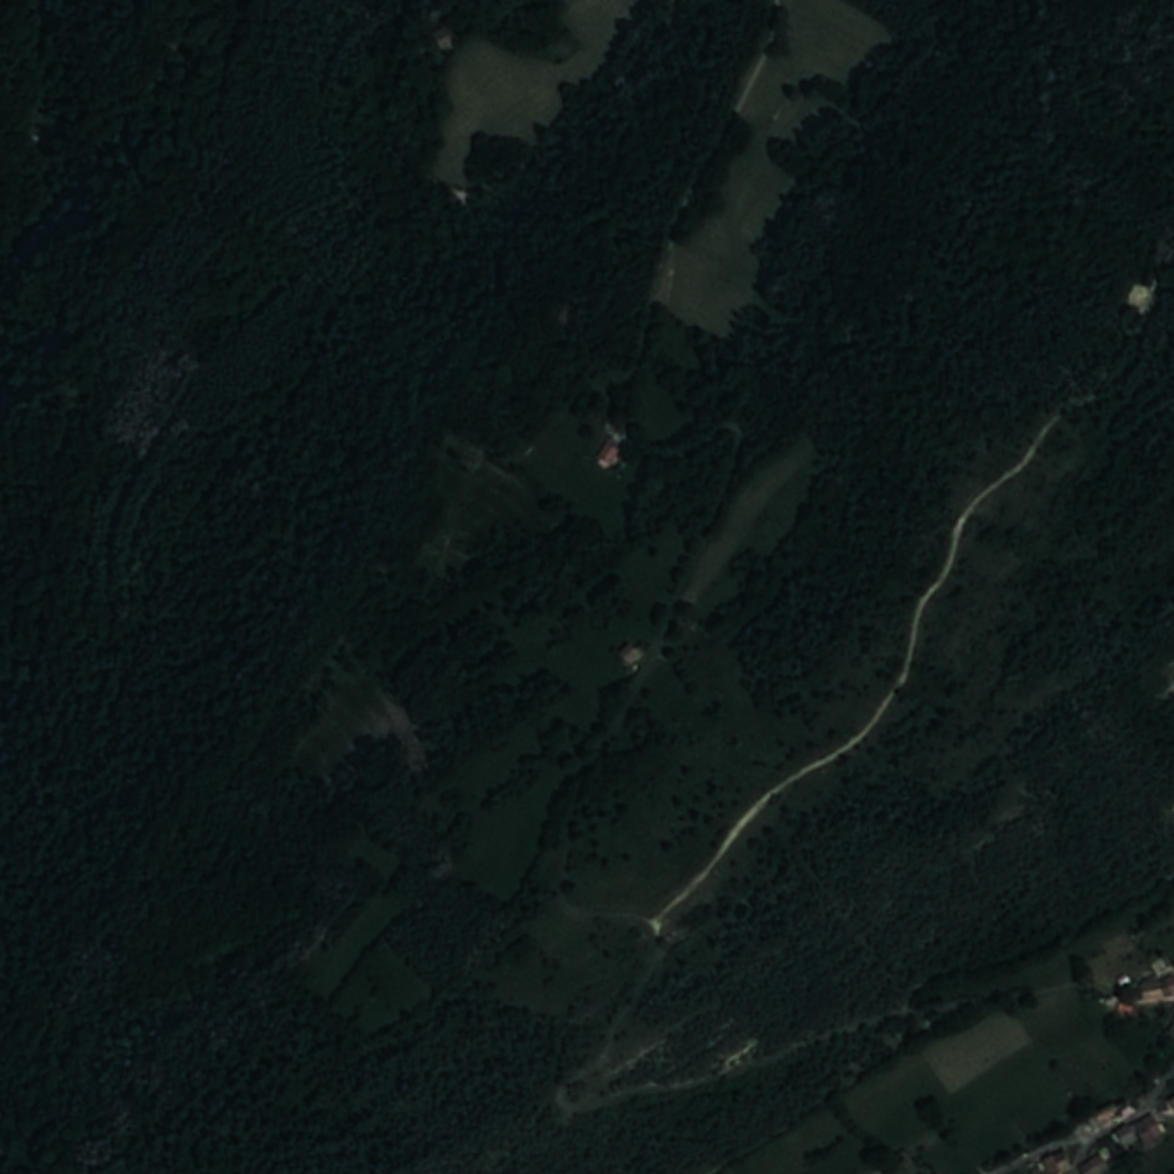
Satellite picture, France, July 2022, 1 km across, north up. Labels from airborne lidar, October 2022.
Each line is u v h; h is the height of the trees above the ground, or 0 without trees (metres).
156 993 27
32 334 27
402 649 15
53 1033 24
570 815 11
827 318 32
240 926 30
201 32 44
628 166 34
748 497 0
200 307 29
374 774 27
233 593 22
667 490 15
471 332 18
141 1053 14
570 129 15
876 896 7
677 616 18
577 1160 16
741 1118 16
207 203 27
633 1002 11
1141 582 6
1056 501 7
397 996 0
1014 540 11
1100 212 11
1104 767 14
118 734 20
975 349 23
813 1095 15
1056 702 6
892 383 13
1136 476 8
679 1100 9
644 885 0
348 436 17
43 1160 31
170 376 23
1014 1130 0
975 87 26
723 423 10
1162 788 11
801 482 0
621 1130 14
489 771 0
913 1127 0
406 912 7
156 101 34
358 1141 17
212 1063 12
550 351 18
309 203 18
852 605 17
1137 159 10
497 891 0
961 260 14
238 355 19
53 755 21
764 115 0
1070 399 16
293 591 18
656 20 23
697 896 0
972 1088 0
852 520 13
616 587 23
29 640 27
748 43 12
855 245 22
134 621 17
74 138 35
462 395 18
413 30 31
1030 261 10
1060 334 16
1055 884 7
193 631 22
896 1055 12
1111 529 12
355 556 15
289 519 21
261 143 25
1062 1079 0
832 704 10
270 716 16
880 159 30
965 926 13
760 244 6
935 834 14
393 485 18
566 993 0
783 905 10
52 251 43
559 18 7
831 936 9
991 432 6
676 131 29
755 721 0
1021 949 10
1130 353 14
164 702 22
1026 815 8
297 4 23
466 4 26
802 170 15
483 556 6
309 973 8
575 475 0
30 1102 21
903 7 22
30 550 19
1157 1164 0
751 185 0
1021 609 9
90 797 20
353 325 18
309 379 17
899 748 20
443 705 21
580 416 16
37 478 26
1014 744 7
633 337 15
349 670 19
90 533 7
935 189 18
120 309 30
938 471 12
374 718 0
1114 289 18
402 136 28
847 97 12
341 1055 16
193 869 23
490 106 0
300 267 8
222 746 27
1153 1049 9
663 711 0
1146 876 11
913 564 6
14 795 20
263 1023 18
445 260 14
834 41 0
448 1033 8
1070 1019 0
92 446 13
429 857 18
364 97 16
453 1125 14
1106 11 15
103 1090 15
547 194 23
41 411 32
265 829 25
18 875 18
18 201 24
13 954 17
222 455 14
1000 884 11
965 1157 0
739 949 11
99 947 26
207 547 17
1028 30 24
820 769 0
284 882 28
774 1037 18
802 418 14
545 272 19
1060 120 20
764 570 9
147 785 22
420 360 20
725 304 0
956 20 20
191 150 31
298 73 18
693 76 26
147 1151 13
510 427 15
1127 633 15
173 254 30
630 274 17
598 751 15
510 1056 17
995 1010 12
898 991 15
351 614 13
